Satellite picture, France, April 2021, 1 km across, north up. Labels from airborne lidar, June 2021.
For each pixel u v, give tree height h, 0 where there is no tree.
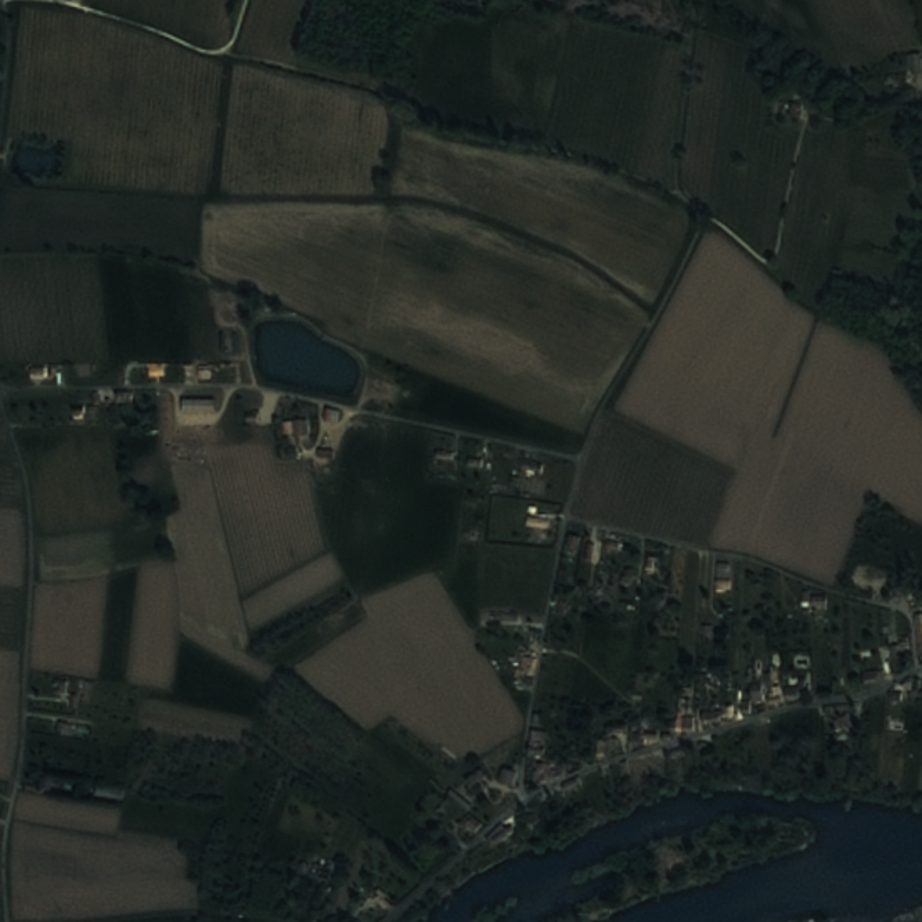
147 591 0
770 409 0
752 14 0
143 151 0
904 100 13
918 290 18
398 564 0
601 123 0
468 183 0
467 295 0
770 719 0
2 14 0
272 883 10
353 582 0
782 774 15
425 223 0
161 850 0
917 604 18
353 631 0
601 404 0
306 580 0
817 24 0
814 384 0
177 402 0
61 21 0
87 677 0
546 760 10
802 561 0
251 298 23
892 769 0
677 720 0
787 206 7
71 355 0
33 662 0
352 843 0
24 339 0
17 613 0
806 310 0
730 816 9
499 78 0
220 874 9
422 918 11
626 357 0
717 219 19
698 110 0
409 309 0
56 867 0
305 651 0
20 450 0
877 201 0
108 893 0
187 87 0
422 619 0
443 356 0
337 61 23
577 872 9
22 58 0
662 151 0
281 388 0
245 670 0
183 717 0
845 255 0
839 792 10
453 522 0
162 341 0
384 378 0
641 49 0
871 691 0
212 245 0
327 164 0
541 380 0
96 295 0
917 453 0
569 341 0
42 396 0
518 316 0
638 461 0
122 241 0
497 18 0
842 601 0
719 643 11
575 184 0
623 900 21
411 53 6
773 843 24
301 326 0
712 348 0
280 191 0
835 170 0
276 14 0
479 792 8
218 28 0
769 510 0
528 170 0
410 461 0
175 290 0
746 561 0
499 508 0
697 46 0
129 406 13
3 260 0
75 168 0
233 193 0
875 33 0
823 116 9
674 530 0
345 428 0
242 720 0
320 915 17
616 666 0
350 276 0
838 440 0
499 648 0
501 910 7
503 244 0
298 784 8
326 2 20
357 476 0
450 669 0
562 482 0
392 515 0
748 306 0
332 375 0
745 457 0
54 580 0
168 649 0
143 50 0
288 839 0
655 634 15
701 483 0
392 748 0
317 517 0
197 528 0
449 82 0
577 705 6
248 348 0
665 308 0
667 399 0
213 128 0
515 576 0
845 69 0
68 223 0
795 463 0
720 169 0
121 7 0
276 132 0
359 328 0
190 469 0
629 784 8
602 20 12
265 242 0
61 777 11
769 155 0
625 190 0
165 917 0
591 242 0
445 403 0
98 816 0
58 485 0
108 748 0
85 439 0
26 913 0
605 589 6
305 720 18
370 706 0
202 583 0
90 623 0
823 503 0
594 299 0
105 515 0
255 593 0
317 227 0
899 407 0
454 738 0
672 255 0
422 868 16
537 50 0
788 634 6
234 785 0
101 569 0
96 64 0
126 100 0
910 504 0
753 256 0
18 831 0
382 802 0
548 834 11
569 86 0
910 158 18
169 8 0
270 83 0
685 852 8
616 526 0
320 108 0
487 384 0
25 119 0
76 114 0
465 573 0
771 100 26
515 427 0
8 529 0
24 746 0
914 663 10
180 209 0
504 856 11
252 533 0
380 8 19
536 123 0
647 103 0
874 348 15
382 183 19
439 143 0
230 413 0
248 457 0
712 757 12
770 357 0
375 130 0
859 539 6
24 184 22
